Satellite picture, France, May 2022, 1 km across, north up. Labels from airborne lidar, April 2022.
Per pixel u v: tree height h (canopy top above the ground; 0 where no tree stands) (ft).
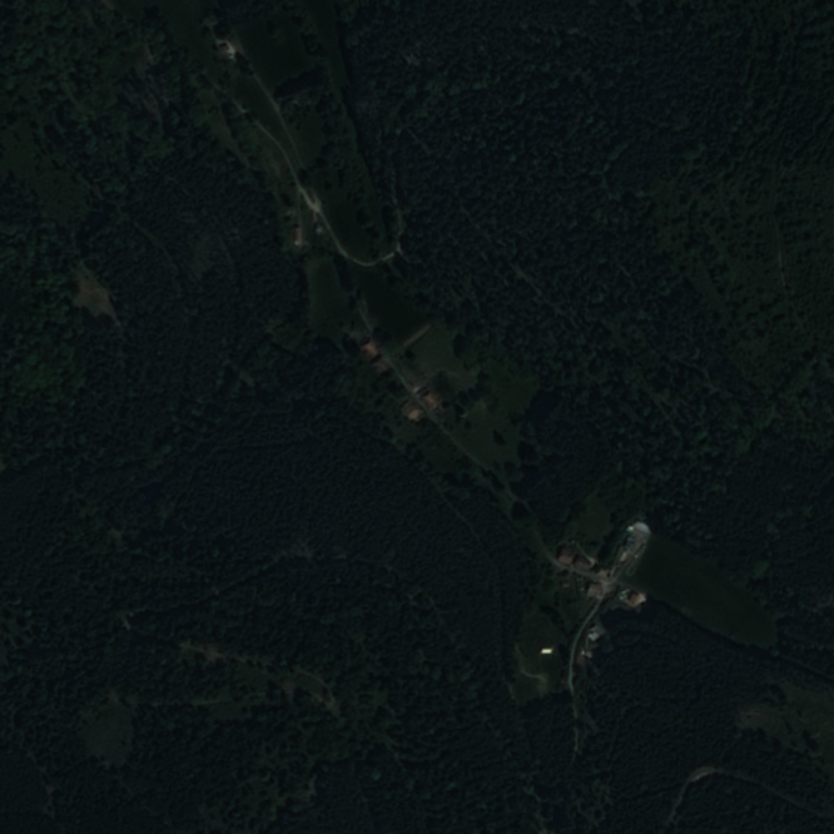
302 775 66
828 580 97
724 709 86
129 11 0
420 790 81
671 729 33
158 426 91
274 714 51
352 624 37
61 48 99
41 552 56
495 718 79
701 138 42
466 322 71
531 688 0
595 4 72
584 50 117
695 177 39
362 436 80
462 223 95
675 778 35
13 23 119
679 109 95
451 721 70
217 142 81
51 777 47
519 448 0
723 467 98
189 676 39
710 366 54
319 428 80
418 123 94
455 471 0
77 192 0
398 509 72
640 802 33
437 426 28
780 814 28
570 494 112
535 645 0
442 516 76
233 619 60
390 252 0
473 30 83
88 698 67
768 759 34
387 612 73
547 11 79
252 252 87
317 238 23
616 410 109
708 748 33
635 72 79
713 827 36
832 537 67
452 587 63
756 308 0
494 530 79
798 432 49
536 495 107
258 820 36
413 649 76
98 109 98
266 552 70
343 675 58
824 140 21
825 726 0
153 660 78
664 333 102
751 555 96
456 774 82
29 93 115
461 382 0
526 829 66
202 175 92
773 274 0
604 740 34
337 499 84
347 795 89
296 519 74
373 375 0
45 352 92
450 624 78
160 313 78
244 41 0
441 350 0
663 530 95
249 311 80
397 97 86
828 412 87
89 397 96
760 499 104
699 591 0
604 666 50
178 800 51
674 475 92
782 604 115
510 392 0
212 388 86
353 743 38
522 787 47
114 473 108
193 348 77
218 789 41
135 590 62
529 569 79
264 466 84
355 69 98
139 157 87
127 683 77
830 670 75
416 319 0
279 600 42
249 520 84
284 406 110
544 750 88
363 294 23
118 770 42
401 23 100
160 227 84
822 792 27
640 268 103
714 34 40
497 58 101
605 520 0
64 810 40
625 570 0
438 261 110
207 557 84
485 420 0
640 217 90
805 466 73
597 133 83
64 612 41
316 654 50
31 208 102
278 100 22
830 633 118
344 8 76
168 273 80
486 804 73
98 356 84
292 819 60
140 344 92
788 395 45
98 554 50
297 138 0
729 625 0
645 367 34
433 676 73
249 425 94
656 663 65
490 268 106
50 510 95
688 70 68
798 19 34
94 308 0
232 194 81
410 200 99
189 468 92
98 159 115
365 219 67
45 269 76
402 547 72
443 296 90
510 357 87
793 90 35
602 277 107
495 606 70
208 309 79
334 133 73
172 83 52
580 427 124
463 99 114
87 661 57
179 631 74
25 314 47
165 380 91
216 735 48
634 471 89
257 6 110
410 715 90
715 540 96
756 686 109
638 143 87
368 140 96
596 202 97
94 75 99
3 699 46
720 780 37
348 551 63
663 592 0
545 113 30
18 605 50
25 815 43
